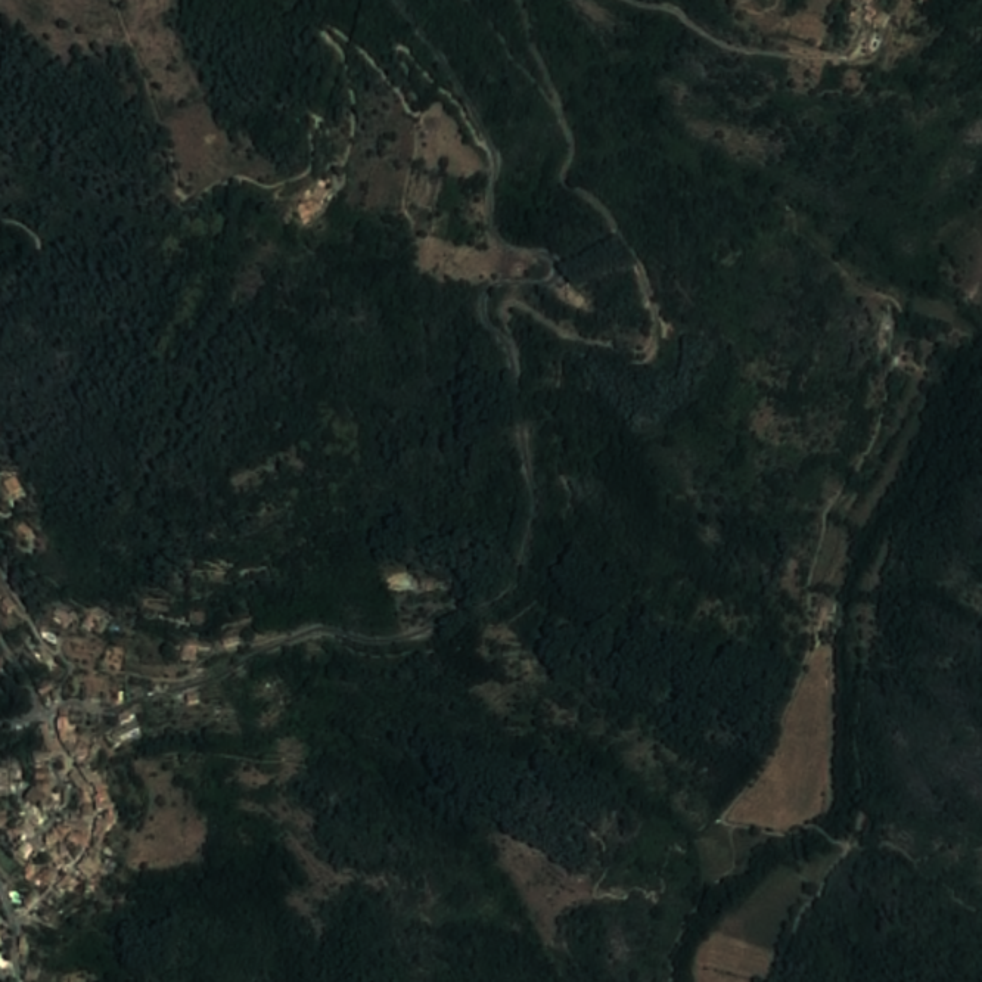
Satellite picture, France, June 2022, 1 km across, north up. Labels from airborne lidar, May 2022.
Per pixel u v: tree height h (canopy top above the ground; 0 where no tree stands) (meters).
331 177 11
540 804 28
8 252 12
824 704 0
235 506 15
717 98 7
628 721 15
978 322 8
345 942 12
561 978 11
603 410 12
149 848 0
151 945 30
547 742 12
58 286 9
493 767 36
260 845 6
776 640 15
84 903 7
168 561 30
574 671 34
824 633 11
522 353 8
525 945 11
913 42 0
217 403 21
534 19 9
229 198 16
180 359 12
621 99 8
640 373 11
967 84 10
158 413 11
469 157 0
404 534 30
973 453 15
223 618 11
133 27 0
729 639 9
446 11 7
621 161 8
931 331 12
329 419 10
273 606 20
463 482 26
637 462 14
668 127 7
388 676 13
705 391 6
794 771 0
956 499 11
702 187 7
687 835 9
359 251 14
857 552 18
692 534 9
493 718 12
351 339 7
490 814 28
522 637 6
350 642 8
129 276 6
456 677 11
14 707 15
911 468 18
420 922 10
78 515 8
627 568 11
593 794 34
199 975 10
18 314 11
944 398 21
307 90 16
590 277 18
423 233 12
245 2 15
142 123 16
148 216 13
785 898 0
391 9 10
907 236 0
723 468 10
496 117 9
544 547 11
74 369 7
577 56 8
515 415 35
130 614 9
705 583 13
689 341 15
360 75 11
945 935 10
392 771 20
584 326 9
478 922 8
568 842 22
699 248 11
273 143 12
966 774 0
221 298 10
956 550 8
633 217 8
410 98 9
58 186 7
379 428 9
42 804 0
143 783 9
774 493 8
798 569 10
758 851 10
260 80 26
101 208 9
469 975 8
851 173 8
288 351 23
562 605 18
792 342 5
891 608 10
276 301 10
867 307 8
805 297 6
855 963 12
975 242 0
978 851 0
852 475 17
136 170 18
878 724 5
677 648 35
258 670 8
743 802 0
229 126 12
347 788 9
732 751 16
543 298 20
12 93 15
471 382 32
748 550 7
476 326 12
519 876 0
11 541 11
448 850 8
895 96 8
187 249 8
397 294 7
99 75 18
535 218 11
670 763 9
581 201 9
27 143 16
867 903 8
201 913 9
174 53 0
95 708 0
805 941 8
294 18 17
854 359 15
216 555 16
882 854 10
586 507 11
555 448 9
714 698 38
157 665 0
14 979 7
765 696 41
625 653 39
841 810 14
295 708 8
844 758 15
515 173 7
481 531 33
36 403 6
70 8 0
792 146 7
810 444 6
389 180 0
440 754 37
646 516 10
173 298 11
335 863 14
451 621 29
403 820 12
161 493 9
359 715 6
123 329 16
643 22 11
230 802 7
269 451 13
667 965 8
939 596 15
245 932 7
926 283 15
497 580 32
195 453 20
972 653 6
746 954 0
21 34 10
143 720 11
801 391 7
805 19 0
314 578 16
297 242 8
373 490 8
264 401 23
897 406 11
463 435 31
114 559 8
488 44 9
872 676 11
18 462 18
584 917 8
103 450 10
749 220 8
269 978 6
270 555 7
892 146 6
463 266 0
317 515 9
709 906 23
